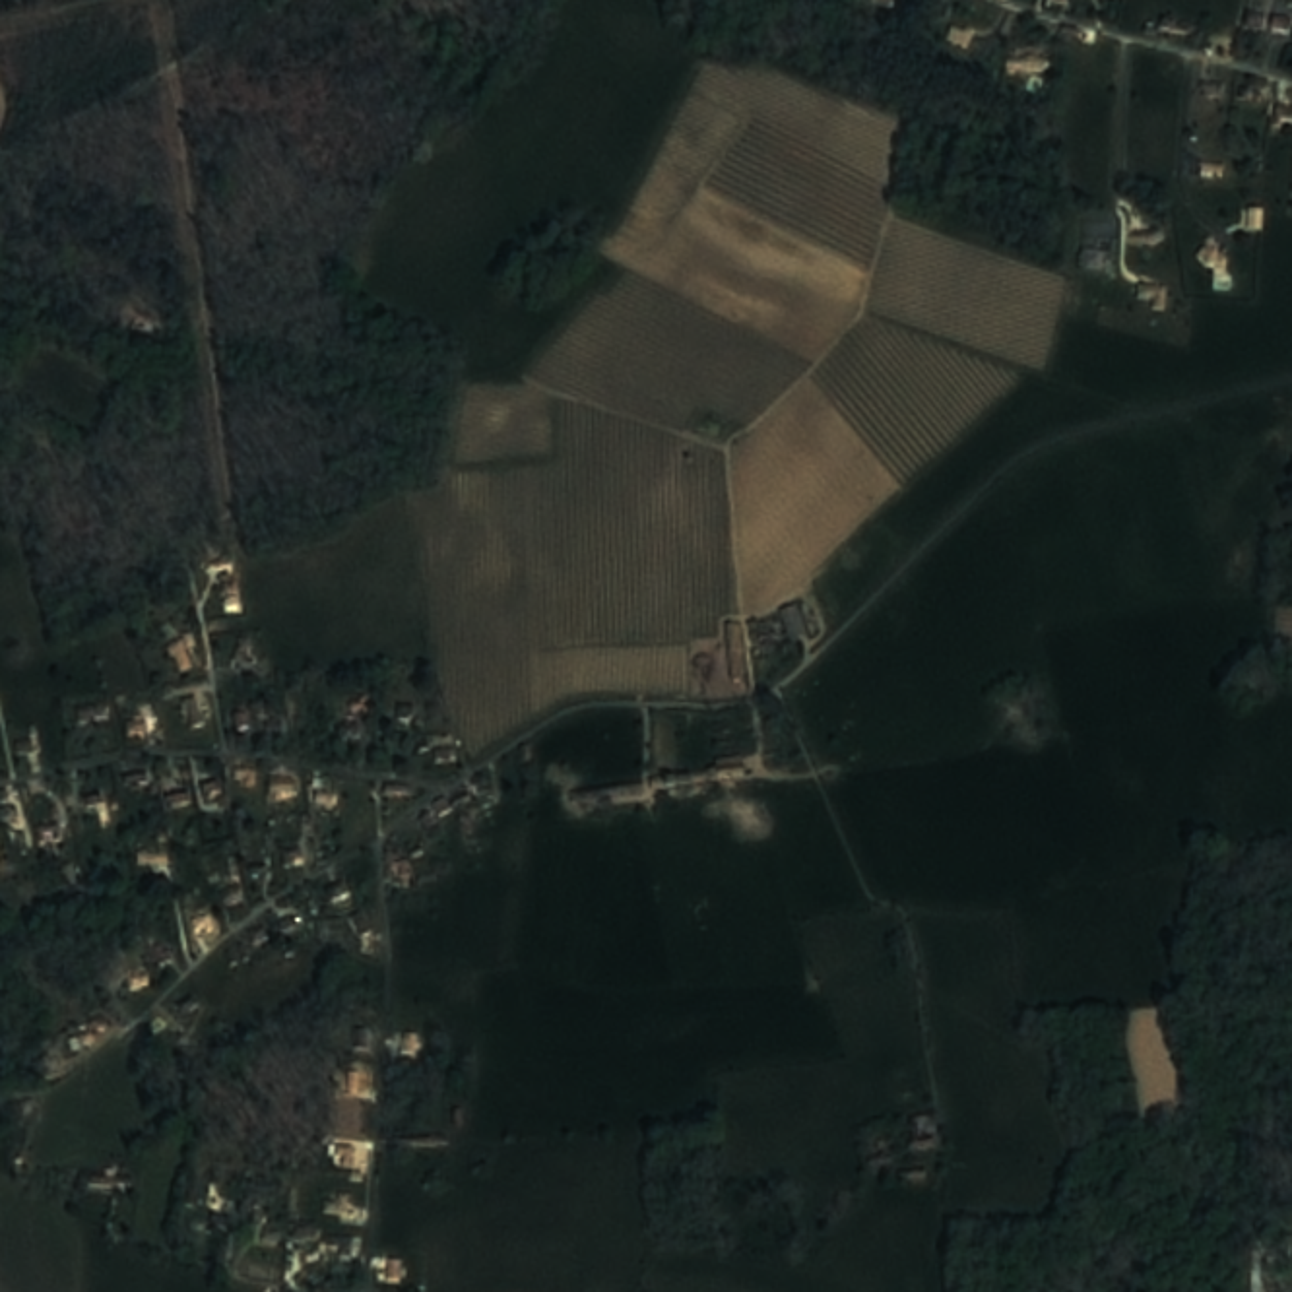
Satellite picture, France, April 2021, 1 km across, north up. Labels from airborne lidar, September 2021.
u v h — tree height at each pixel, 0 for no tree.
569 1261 0
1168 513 0
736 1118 0
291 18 16
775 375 0
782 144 0
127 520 18
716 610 0
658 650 0
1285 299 0
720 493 0
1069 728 0
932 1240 0
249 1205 14
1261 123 6
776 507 0
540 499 0
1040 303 0
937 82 24
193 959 0
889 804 0
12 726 0
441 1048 15
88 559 11
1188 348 0
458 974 0
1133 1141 20
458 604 0
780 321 0
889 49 19
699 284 0
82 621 11
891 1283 0
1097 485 0
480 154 0
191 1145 8
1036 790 0
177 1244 18
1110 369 0
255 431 19
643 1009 0
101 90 9
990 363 0
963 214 8
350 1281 6
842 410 0
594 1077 0
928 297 0
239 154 23
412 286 0
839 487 0
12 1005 26
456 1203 0
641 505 0
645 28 0
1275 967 23
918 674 0
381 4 18
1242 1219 23
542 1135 0
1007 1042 0
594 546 0
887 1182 11
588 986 0
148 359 25
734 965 0
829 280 0
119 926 20
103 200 19
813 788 0
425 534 0
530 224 0
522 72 20
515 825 0
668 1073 0
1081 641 0
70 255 23
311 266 18
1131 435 0
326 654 0
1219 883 13
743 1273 0
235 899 0
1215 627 0
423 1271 0
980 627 0
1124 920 0
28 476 14
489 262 0
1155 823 0
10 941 13
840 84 18
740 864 0
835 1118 0
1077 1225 19
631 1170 0
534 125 0
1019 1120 0
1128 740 0
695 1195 17
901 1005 0
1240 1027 22
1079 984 0
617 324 0
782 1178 0
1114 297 0
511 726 0
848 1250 0
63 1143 0
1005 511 0
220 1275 18
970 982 0
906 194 13
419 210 0
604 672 0
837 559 0
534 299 15
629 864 0
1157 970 0
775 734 17
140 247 28
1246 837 0
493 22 21
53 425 19
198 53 15
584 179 0
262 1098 5
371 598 0
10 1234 0
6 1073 25
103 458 21
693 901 0
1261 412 0
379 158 6
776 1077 0
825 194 0
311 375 20
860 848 0
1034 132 20
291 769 6
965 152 25
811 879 0
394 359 18
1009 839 0
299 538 22
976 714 0
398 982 0
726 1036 0
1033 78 0
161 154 16
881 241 0
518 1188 0
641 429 0
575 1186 0
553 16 15
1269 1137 21
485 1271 0
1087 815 0
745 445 0
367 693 11
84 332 27
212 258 23
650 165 0
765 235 0
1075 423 0
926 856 0
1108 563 0
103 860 13
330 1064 18
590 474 0
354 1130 0
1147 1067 0
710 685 0
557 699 0
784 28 17
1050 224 16
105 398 0
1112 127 0
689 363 0
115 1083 0
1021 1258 20
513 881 0
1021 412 0
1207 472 0
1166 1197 20
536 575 0
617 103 0
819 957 0
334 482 18
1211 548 0
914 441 0
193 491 17
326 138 15
